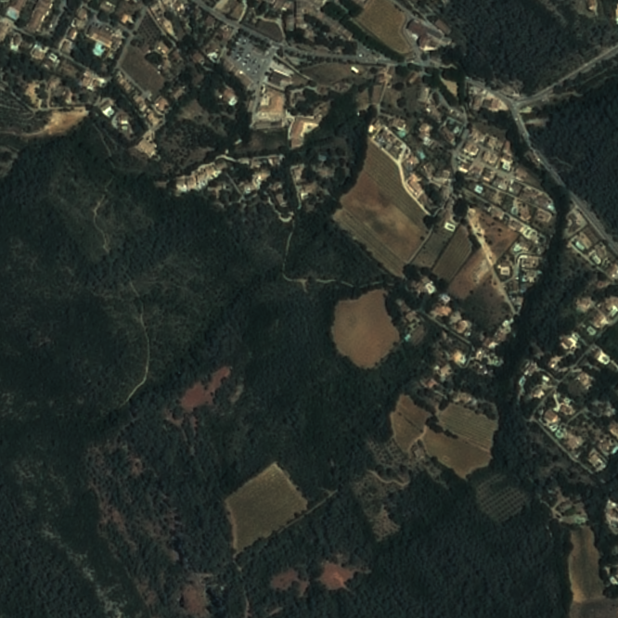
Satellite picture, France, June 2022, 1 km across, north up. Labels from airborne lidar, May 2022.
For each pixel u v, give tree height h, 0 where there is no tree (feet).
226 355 34
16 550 38
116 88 49
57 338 28
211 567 65
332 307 39
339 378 26
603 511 43
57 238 18
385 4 0
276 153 25
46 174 45
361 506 60
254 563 48
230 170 26
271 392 28
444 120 26
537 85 20
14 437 24
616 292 29
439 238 0
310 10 0
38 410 20
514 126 24
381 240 0
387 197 0
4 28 0
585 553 0
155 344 24
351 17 36
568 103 41
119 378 23
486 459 0
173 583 35
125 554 32
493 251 0
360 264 36
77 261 39
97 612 40
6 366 27
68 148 65
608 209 63
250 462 26
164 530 33
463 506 44
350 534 53
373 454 40
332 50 27
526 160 23
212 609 58
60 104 63
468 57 33
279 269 30
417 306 29
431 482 40
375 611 40
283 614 21
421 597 39
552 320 61
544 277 29
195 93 33
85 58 60
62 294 37
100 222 0
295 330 33
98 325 21
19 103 20
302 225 19
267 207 54
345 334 0
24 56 37
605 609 0
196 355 60
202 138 33
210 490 61
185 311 37
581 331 19
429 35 0
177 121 20
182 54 21
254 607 47
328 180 58
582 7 0
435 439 0
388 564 52
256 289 20
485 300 0
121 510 37
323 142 40
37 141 44
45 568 41
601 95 49
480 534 35
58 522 19
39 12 0
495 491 19
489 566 69
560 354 26
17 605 20
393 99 0
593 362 28
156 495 24
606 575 53
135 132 54
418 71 44
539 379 20
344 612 53
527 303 42
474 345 31
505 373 59
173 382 24
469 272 0
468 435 0
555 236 24
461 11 65
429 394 66
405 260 0
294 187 32
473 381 60
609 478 40
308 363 31
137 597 19
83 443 38
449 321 37
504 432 40
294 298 31
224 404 43
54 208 19
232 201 27
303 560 36
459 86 32
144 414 75
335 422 24
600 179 59
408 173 0
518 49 68
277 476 0
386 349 0
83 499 28
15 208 24
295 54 24
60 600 45
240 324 46
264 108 0
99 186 27
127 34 23
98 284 55
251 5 31
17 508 32
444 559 51
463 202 42
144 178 42
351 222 0
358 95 0
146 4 40
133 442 22
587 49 24
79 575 18
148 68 0
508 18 57
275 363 27
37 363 41
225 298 28
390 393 22
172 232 45
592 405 26
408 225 0
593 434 18
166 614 97
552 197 35
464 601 61
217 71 41
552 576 75
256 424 22
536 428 25
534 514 33
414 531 47
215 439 22
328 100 28
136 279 36
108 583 18
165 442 64
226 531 61
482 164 0
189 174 35
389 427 31
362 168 31
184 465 23
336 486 20
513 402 30
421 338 0
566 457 28
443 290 43
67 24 40
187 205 42
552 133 54
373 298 0
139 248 40
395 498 76
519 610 63
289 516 0
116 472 44
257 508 0
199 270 23
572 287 30
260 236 60
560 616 70
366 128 24
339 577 0
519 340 37
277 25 0
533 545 74
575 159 55
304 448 24
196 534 58
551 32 69
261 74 0
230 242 24
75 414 26
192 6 38
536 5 26
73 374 22
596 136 53
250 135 53
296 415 54
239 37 20
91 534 23
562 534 59
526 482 43
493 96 0
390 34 0
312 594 44
